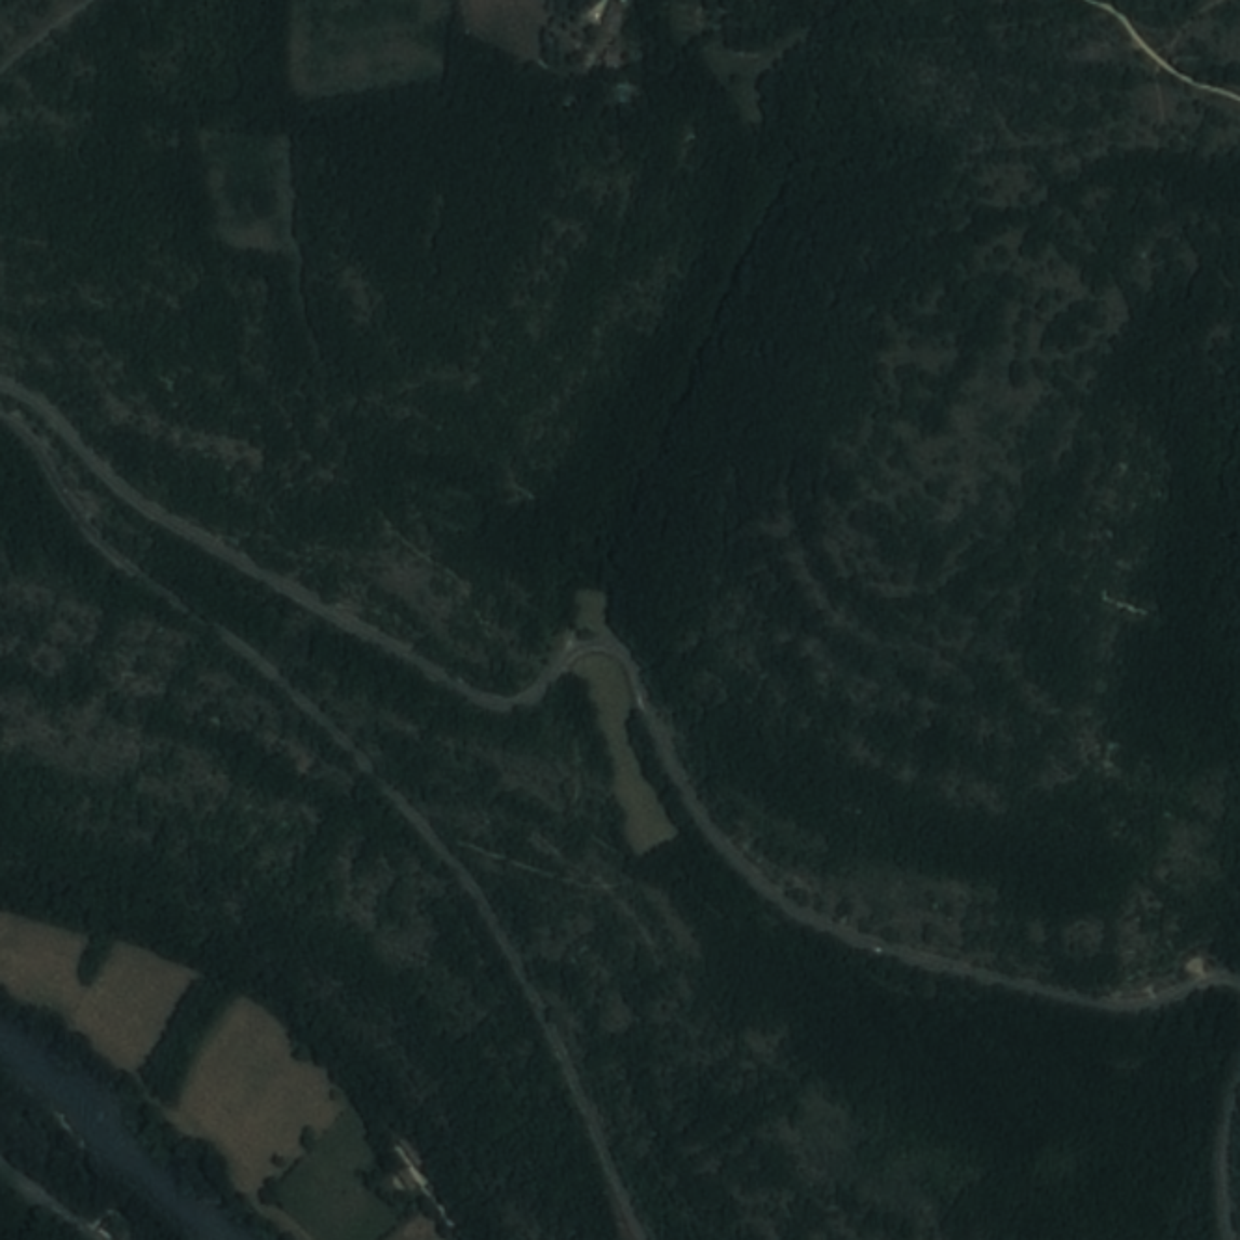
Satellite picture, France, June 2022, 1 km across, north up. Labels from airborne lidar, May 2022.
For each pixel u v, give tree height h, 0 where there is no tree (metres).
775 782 12
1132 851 8
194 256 9
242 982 12
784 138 10
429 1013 13
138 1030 0
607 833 7
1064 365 7
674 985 6
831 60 10
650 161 8
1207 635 15
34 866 10
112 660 5
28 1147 33
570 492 16
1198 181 14
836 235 11
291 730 11
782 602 9
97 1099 0
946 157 9
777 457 9
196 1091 0
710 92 9
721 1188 6
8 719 8
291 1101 0
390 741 10
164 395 7
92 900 23
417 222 10
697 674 10
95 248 9
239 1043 0
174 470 7
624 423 15
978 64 8
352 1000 9
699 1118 10
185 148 9
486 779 11
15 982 0
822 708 6
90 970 7
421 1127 13
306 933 11
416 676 14
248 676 11
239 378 8
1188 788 7
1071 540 6
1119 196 6
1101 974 7
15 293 7
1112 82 10
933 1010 13
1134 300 10
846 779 7
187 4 8
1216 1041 20
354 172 12
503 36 0
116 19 9
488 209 9
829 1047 8
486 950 13
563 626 7
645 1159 7
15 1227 19
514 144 9
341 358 11
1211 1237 9
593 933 7
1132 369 13
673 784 9
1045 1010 11
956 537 6
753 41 12
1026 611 8
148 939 18
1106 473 6
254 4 6
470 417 8
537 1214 7
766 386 12
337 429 6
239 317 9
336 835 13
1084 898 10
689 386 9
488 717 10
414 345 9
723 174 14
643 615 17
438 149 11
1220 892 10
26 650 8
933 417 7
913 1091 11
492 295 8
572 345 8
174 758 8
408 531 8
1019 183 0
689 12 0
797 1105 9
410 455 9
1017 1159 15
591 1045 7
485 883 8
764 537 6
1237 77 8
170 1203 0
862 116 9
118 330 6
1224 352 10
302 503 9
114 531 6
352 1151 0
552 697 9
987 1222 8
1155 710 12
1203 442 17
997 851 9
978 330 7
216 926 10
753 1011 8
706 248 10
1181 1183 10
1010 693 9
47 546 12
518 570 11
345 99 9
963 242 11
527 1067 7
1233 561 22
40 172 10
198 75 7
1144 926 8
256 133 9
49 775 15
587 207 7
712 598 7
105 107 8
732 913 10
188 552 7
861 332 7
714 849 9
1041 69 8
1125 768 7
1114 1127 18
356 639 11
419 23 0
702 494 8
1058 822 7
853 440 6
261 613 10
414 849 8
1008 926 6
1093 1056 11
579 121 11
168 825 11
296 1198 0
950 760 6
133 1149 0
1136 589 10
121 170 8
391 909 9
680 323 16
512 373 6
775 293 12
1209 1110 12
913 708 8
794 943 6
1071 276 0
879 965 11
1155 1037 12
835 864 10
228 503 8
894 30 9
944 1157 8
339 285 7
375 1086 11
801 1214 7
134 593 14
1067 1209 10
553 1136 9
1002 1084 14
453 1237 15
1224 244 10
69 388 5
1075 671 10
